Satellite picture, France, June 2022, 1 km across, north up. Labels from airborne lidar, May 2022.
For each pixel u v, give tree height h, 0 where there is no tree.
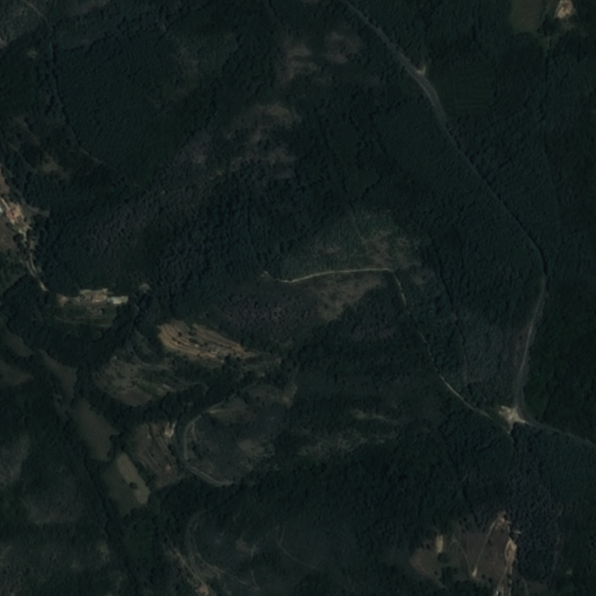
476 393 22
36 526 12
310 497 11
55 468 13
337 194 11
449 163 23
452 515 12
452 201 16
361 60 14
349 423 7
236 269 29
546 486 22
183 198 17
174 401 23
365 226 9
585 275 33
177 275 24
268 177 10
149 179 12
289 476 8
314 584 7
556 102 28
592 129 20
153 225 18
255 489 10
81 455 21
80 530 10
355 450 8
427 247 9
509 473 14
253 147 6
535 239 33
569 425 18
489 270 17
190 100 14
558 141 19
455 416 17
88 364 19
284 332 15
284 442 17
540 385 10
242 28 16
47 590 11
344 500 8
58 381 9
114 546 18
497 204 23
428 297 9
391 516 13
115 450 8
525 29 0
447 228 18
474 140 21
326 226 16
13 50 12
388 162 20
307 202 27
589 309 16
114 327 14
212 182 8
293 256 10
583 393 11
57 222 19
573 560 13
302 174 23
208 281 33
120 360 8
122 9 10
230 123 12
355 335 14
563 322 12
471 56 19
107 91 17
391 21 18
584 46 21
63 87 19
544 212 34
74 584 22
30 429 24
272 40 15
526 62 15
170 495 21
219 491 23
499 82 10
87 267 29
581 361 16
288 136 12
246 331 10
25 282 17
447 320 10
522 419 0
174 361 7
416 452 12
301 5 19
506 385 10
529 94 23
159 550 6
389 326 6
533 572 13
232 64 21
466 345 9
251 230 30
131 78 16
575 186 17
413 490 17
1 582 13
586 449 23
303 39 12
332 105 14
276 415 0
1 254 10
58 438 9
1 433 6
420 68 22
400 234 9
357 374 8
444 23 32
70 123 22
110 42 14
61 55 16
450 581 11
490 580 10
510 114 23
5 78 11
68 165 6
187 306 29
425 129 21
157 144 18
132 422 20
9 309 12
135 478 0
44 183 22
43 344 19
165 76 16
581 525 17
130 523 14
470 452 19
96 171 8
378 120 24
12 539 9
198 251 11
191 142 14
